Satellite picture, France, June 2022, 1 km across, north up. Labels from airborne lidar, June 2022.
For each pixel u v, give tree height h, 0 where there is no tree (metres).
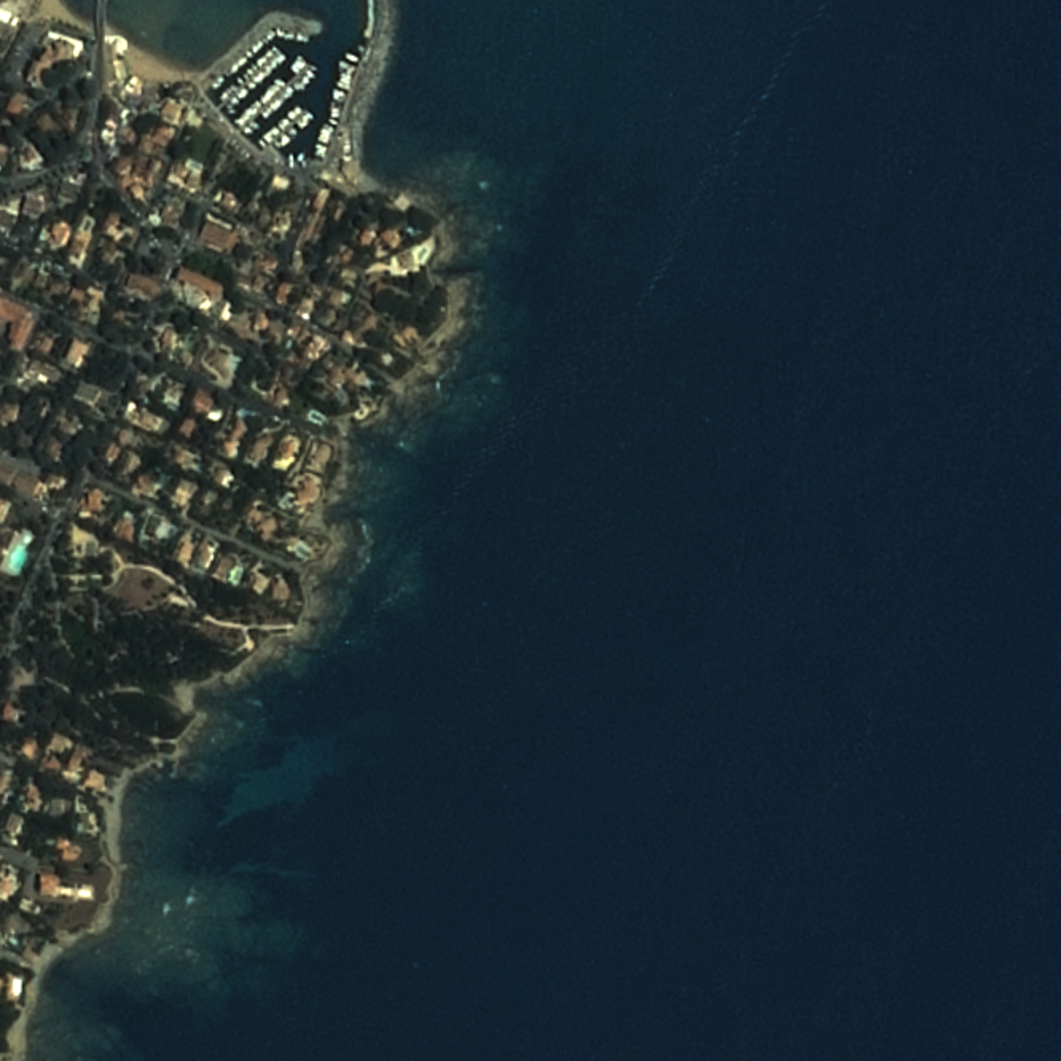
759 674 0
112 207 11
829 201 0
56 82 23
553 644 0
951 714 0
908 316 0
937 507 0
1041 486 0
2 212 0
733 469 0
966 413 0
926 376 0
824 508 0
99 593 8
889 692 0
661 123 0
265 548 6
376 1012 0
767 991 0
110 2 0
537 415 0
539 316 0
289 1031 0
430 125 0
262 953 0
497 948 0
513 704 0
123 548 5
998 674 0
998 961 0
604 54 0
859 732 0
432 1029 0
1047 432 0
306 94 0
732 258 0
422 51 0
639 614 0
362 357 15
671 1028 0
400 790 0
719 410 0
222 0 0
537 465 0
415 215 12
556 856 0
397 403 0
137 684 7
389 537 0
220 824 0
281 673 0
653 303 0
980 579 0
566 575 0
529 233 0
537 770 0
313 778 0
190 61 0
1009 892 0
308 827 0
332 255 16
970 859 0
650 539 0
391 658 0
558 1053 0
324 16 0
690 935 0
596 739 0
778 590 0
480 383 0
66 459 9
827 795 0
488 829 0
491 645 0
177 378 6
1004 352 0
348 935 0
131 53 0
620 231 0
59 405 15
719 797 0
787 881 0
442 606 0
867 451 0
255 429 12
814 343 0
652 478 0
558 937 0
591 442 0
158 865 0
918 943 0
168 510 6
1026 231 0
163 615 7
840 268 0
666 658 0
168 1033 0
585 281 0
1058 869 0
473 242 0
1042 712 0
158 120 13
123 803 0
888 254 0
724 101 0
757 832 0
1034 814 0
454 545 0
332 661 0
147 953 0
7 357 9
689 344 0
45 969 0
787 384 0
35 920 7
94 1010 0
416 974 0
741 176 0
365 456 0
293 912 0
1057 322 0
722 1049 0
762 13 0
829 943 0
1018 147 0
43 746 7
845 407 0
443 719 0
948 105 0
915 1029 0
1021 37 0
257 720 0
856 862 0
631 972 0
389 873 0
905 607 0
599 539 0
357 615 0
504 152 0
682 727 0
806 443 0
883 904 0
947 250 0
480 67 0
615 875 0
